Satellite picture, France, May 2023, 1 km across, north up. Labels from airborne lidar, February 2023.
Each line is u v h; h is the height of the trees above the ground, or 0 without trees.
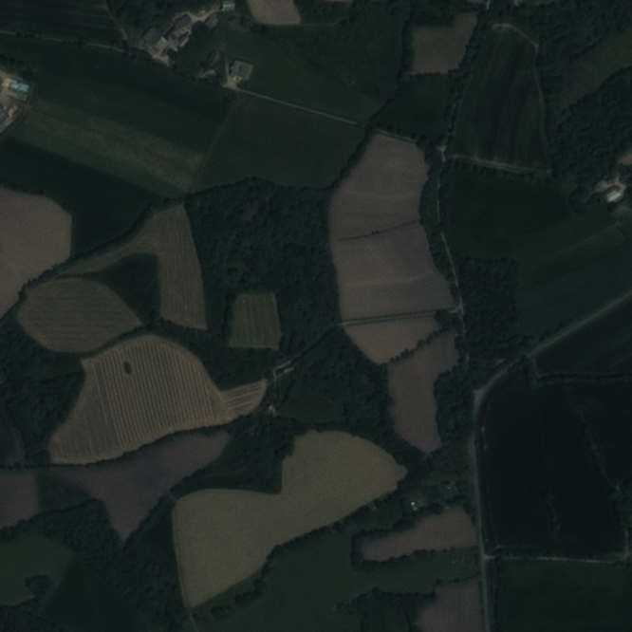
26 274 0
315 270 10
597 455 12
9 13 0
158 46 0
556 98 0
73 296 0
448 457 15
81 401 0
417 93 0
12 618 18
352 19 7
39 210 0
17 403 10
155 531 0
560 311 0
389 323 0
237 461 0
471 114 0
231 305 14
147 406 0
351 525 13
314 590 0
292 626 0
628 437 0
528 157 0
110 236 0
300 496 0
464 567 0
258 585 11
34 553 0
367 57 0
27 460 13
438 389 12
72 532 22
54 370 0
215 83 10
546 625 0
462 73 9
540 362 0
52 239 0
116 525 0
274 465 11
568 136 12
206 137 0
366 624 12
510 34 0
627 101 19
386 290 0
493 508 0
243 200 12
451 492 0
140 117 0
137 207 0
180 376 0
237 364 0
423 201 10
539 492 0
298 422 9
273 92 0
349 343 13
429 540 0
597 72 0
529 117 0
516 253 0
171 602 8
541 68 16
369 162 0
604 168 14
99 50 0
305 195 9
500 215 0
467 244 0
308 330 12
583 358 0
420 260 0
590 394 0
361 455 0
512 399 0
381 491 0
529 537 0
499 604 11
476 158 0
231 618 0
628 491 20
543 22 10
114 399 0
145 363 0
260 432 6
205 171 0
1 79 0
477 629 0
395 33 0
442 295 0
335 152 0
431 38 0
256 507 0
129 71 0
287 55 0
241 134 0
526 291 0
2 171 0
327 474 0
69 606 0
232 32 0
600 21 10
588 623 0
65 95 0
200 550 0
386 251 0
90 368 0
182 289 0
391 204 0
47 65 0
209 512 0
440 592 0
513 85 0
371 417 10
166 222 0
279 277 11
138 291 0
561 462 0
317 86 0
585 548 0
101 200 0
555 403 0
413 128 0
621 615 0
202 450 0
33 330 0
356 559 16
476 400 0
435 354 0
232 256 17
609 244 0
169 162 0
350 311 0
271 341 0
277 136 0
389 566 10
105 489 0
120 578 16
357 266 0
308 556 0
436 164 13
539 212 0
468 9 6
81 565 0
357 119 0
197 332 8
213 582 0
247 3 0
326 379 16
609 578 0
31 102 0
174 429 0
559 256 0
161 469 0
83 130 0
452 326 15
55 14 0
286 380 0
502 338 7
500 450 0
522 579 0
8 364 15
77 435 0
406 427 0
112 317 0
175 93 0
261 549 0
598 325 0
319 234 11
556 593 0
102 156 0
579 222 0
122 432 0
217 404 0
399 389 0
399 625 0
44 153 0
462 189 0
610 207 16
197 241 13
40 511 0
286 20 0
